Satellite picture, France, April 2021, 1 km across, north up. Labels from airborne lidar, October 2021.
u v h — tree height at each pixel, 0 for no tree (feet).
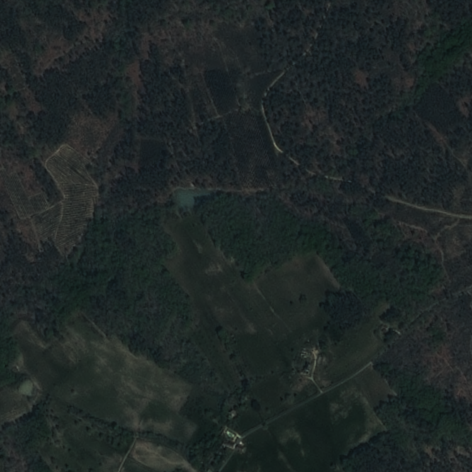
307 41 80
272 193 52
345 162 64
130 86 36
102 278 65
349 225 54
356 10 67
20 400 0
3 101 41
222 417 23
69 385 0
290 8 61
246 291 0
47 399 30
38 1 88
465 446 65
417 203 53
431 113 58
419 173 75
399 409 55
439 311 29
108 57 70
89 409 0
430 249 24
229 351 38
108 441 25
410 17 52
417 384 55
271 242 58
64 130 0
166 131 84
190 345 42
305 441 0
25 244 0
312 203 36
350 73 73
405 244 33
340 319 54
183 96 0
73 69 66
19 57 75
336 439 0
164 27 35
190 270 0
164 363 49
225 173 0
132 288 77
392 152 41
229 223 76
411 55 68
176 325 45
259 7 53
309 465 0
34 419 59
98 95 77
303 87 61
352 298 54
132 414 0
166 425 0
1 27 87
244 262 72
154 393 0
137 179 71
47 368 0
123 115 66
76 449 0
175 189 67
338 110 64
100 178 51
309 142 49
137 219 66
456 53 79
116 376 0
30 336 0
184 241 0
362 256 38
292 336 0
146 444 0
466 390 27
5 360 79
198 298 0
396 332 29
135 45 74
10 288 74
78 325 0
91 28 36
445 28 43
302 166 67
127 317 59
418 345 25
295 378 0
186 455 27
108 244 77
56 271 58
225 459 31
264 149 28
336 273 56
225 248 68
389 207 52
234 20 41
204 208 88
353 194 65
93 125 0
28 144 58
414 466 61
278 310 0
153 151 22
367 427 0
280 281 0
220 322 0
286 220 86
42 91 75
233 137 29
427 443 63
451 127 62
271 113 25
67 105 88
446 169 39
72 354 0
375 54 61
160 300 65
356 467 64
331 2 65
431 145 61
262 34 66
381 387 0
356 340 0
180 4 51
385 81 75
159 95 70
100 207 24
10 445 34
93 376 0
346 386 0
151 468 0
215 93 27
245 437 0
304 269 0
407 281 58
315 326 0
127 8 58
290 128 55
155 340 66
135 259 67
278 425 0
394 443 68
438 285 42
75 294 74
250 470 0
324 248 65
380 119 23
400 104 61
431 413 48
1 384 51
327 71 52
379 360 23
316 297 0
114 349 0
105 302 78
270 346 0
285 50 32
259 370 0
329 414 0
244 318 0
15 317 39
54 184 24
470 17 76
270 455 0
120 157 73
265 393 0
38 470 68
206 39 22
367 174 68
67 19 82
